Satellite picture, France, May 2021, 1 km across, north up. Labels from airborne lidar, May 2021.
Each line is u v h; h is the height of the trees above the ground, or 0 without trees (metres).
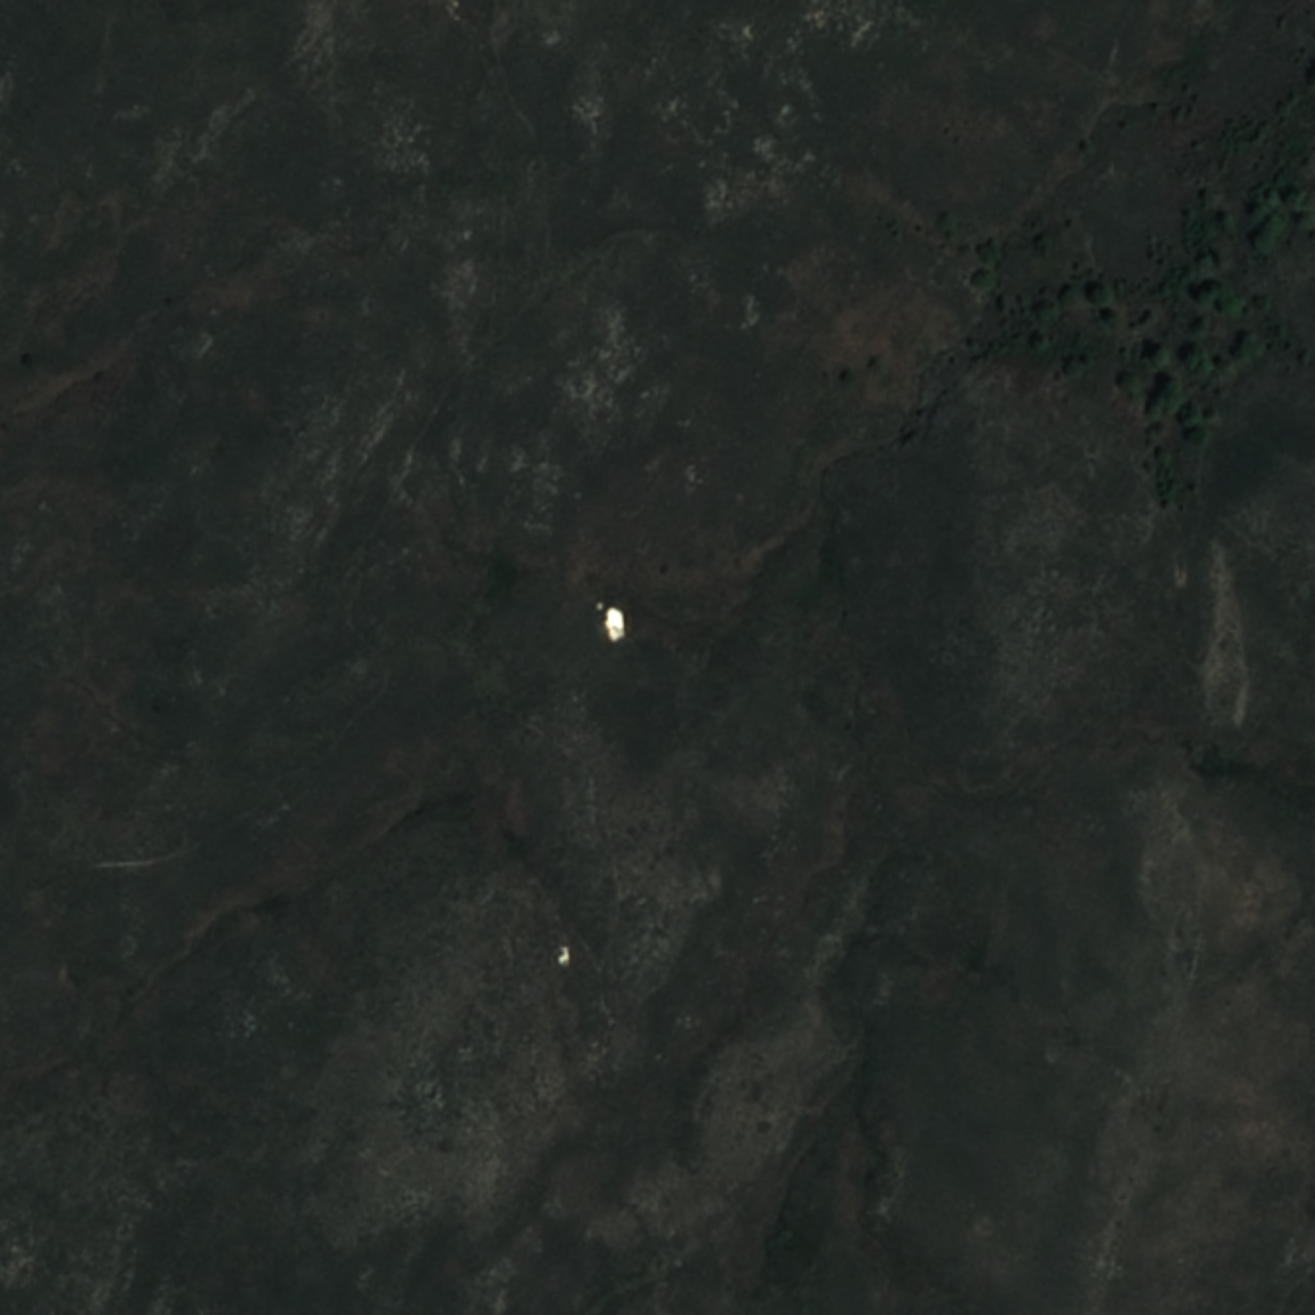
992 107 0
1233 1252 0
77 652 0
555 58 0
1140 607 0
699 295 0
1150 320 10
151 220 0
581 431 0
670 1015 0
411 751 0
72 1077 0
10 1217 0
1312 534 0
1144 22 0
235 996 0
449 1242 0
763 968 0
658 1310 0
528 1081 0
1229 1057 0
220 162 0
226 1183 0
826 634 0
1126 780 0
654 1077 0
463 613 0
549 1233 0
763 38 0
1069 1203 0
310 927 0
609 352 0
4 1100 0
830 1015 0
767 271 0
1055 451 0
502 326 0
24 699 0
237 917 0
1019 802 0
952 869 0
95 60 0
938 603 0
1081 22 0
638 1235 0
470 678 0
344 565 0
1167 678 0
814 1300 0
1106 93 0
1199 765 0
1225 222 14
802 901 0
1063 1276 0
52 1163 0
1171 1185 0
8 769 0
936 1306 0
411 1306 0
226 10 0
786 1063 0
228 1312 0
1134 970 0
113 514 0
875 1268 0
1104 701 0
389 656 0
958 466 0
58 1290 0
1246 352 13
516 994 0
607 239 0
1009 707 0
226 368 0
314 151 0
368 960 0
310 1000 0
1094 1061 0
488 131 0
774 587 0
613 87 0
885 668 0
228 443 0
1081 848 0
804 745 0
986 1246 0
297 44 0
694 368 0
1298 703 0
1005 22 0
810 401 0
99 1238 0
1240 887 0
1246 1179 0
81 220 0
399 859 0
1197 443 13
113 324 0
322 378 0
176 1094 0
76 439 0
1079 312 0
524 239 0
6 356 0
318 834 0
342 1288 0
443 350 0
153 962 0
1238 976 0
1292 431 0
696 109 0
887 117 0
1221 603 0
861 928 0
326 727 0
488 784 0
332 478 0
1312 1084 0
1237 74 0
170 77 0
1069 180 0
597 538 0
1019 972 0
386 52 0
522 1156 0
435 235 0
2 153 0
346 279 0
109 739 0
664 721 0
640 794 0
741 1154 0
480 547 0
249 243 0
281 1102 0
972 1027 0
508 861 0
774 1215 0
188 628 0
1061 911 0
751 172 0
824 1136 0
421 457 0
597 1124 0
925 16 0
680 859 0
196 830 0
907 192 0
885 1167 0
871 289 0
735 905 0
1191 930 0
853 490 0
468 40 0
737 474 0
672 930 0
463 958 0
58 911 0
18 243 0
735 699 0
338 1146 0
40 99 0
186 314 0
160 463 0
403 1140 0
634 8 0
